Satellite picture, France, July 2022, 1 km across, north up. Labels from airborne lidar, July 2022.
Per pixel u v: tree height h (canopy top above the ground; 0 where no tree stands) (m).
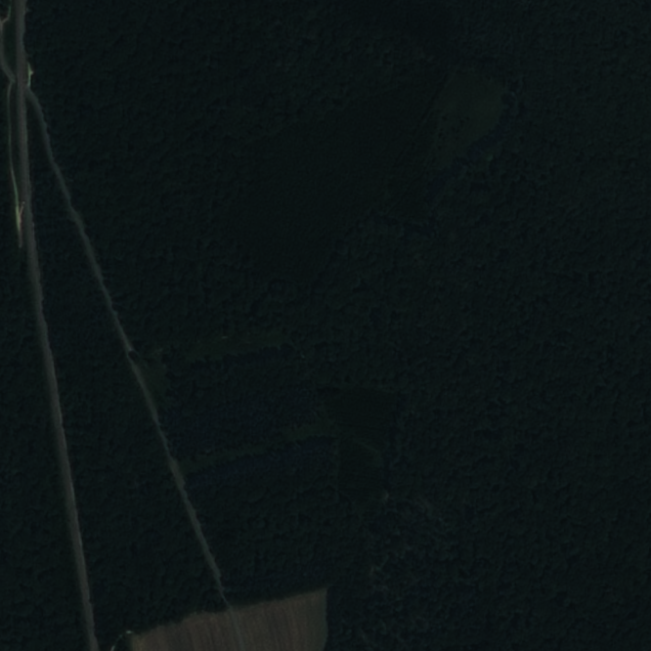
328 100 30
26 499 26
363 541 30
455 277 23
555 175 23
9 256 26
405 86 17
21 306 24
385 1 22
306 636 0
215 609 16
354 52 24
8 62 0
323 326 28
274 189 15
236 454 0
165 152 26
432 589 25
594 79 20
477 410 20
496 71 23
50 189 20
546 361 25
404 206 6
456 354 23
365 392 5
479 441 20
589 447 20
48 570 27
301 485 20
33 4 23
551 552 27
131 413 18
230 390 23
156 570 28
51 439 7
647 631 26
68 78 24
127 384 19
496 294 23
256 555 10
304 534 25
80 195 27
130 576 23
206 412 24
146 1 25
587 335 24
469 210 22
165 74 26
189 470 0
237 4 23
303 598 0
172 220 28
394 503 12
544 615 20
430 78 13
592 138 21
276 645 0
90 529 23
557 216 25
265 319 23
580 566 25
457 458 23
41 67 22
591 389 21
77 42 23
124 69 27
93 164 29
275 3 23
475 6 17
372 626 17
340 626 21
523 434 28
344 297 24
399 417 24
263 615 0
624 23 20
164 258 28
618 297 25
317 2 26
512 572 26
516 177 23
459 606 30
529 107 23
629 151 26
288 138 15
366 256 25
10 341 22
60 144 22
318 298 24
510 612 24
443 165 0
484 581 24
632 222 25
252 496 27
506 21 19
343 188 15
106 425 23
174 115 25
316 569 23
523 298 22
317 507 27
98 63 26
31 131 11
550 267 24
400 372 29
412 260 25
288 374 22
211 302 22
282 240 14
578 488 25
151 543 24
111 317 17
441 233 23
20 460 23
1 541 19
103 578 22
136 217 21
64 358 22
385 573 19
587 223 22
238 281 25
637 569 30
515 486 27
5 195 17
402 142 14
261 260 13
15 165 0
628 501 26
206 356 0
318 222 15
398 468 26
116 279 22
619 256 27
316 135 15
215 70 30
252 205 14
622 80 19
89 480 21
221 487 25
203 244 24
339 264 22
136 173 24
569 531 29
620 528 27
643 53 20
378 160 14
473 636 21
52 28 23
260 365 21
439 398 24
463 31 20
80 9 28
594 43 19
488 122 0
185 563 26
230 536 23
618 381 26
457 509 22
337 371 27
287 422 20
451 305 21
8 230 21
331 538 25
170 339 22
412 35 20
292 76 20
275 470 26
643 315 25
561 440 22
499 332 23
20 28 0
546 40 20
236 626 0
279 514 23
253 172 15
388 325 22
